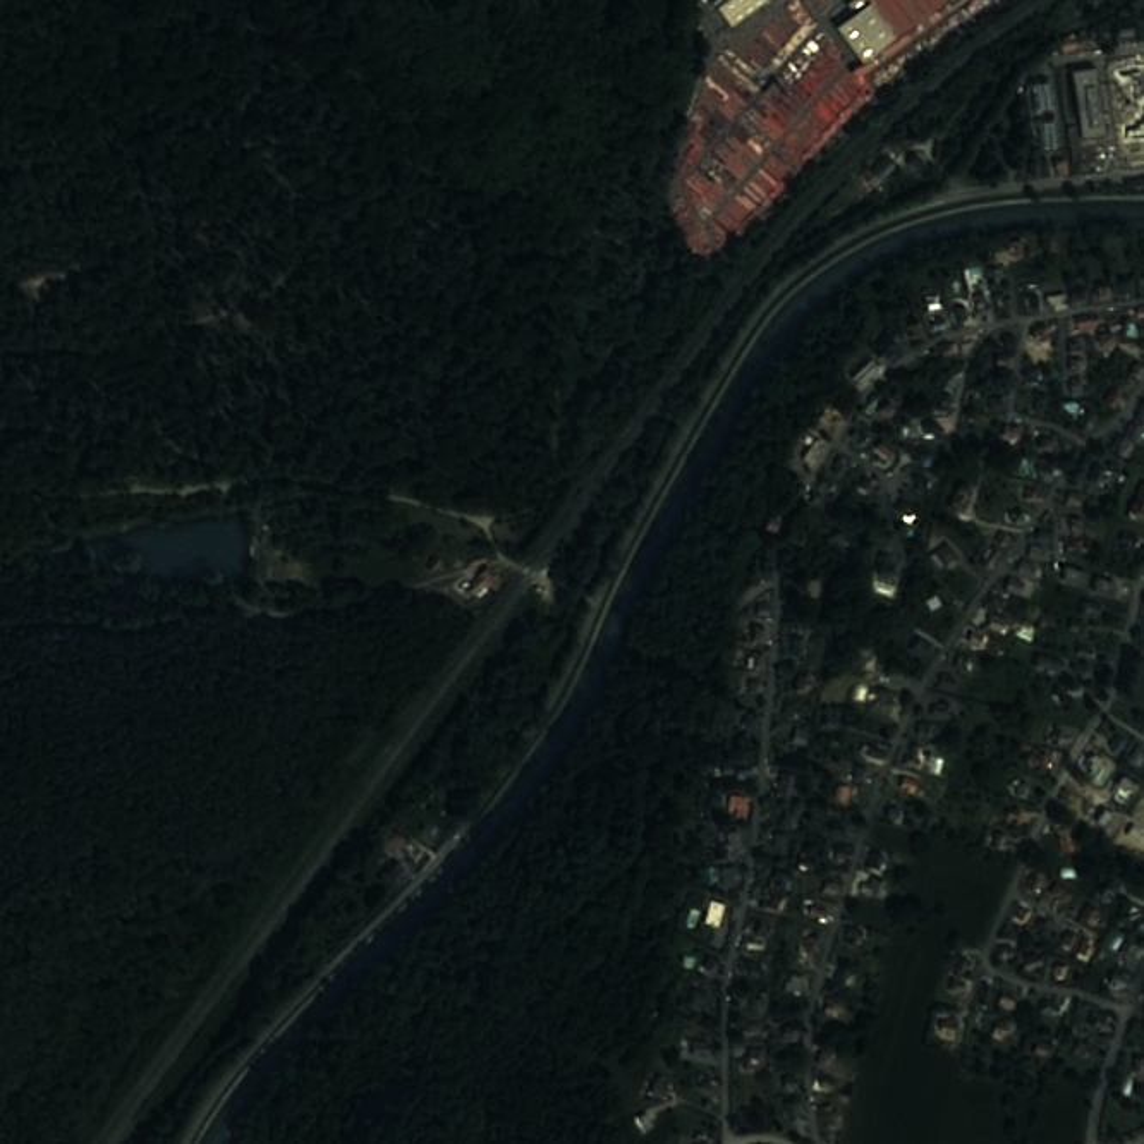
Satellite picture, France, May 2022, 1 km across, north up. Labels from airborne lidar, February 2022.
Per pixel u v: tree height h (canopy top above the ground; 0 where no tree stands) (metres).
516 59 30
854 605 25
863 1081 0
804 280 0
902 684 0
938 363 6
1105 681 20
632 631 29
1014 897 0
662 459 15
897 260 10
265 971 28
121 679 24
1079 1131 0
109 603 32
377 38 31
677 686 30
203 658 22
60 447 24
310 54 30
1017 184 0
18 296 27
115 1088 0
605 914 26
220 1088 0
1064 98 0
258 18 31
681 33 21
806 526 13
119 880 23
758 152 0
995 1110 0
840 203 0
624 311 23
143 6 33
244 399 31
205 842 20
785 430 30
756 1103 11
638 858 22
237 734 20
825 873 9
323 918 13
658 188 25
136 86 36
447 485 26
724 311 0
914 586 18
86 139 28
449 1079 27
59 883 22
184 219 25
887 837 0
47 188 26
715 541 34
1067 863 0
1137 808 0
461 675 0
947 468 18
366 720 25
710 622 32
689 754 20
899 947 0
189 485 16
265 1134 25
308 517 24
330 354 26
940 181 11
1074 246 6
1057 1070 8
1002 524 0
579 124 31
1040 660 0
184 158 28
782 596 7
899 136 8
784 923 6
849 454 0
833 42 0
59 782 20
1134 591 0
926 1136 0
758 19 0
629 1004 24
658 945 14
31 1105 24
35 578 20
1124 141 0
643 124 25
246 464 16
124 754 17
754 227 13
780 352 22
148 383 27
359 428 30
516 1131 25
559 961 32
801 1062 18
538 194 29
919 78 17
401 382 25
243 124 25
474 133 26
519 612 0
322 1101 14
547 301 34
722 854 9
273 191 13
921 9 0
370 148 25
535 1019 24
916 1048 0
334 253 27
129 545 13
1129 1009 0
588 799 31
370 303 28
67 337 31
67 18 29
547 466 27
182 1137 0
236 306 30
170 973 31
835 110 0
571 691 0
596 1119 19
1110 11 9
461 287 32
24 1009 21
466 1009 29
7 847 21
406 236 29
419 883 0
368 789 0
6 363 17
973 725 0
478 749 28
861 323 20
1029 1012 17
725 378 0
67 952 21
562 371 30
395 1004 25
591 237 24
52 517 30
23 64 25
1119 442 0
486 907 35
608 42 29
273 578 0
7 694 19
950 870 0
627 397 14
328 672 18
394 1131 31
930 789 0
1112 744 0
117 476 30
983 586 0
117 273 30
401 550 27
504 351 32
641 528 0
